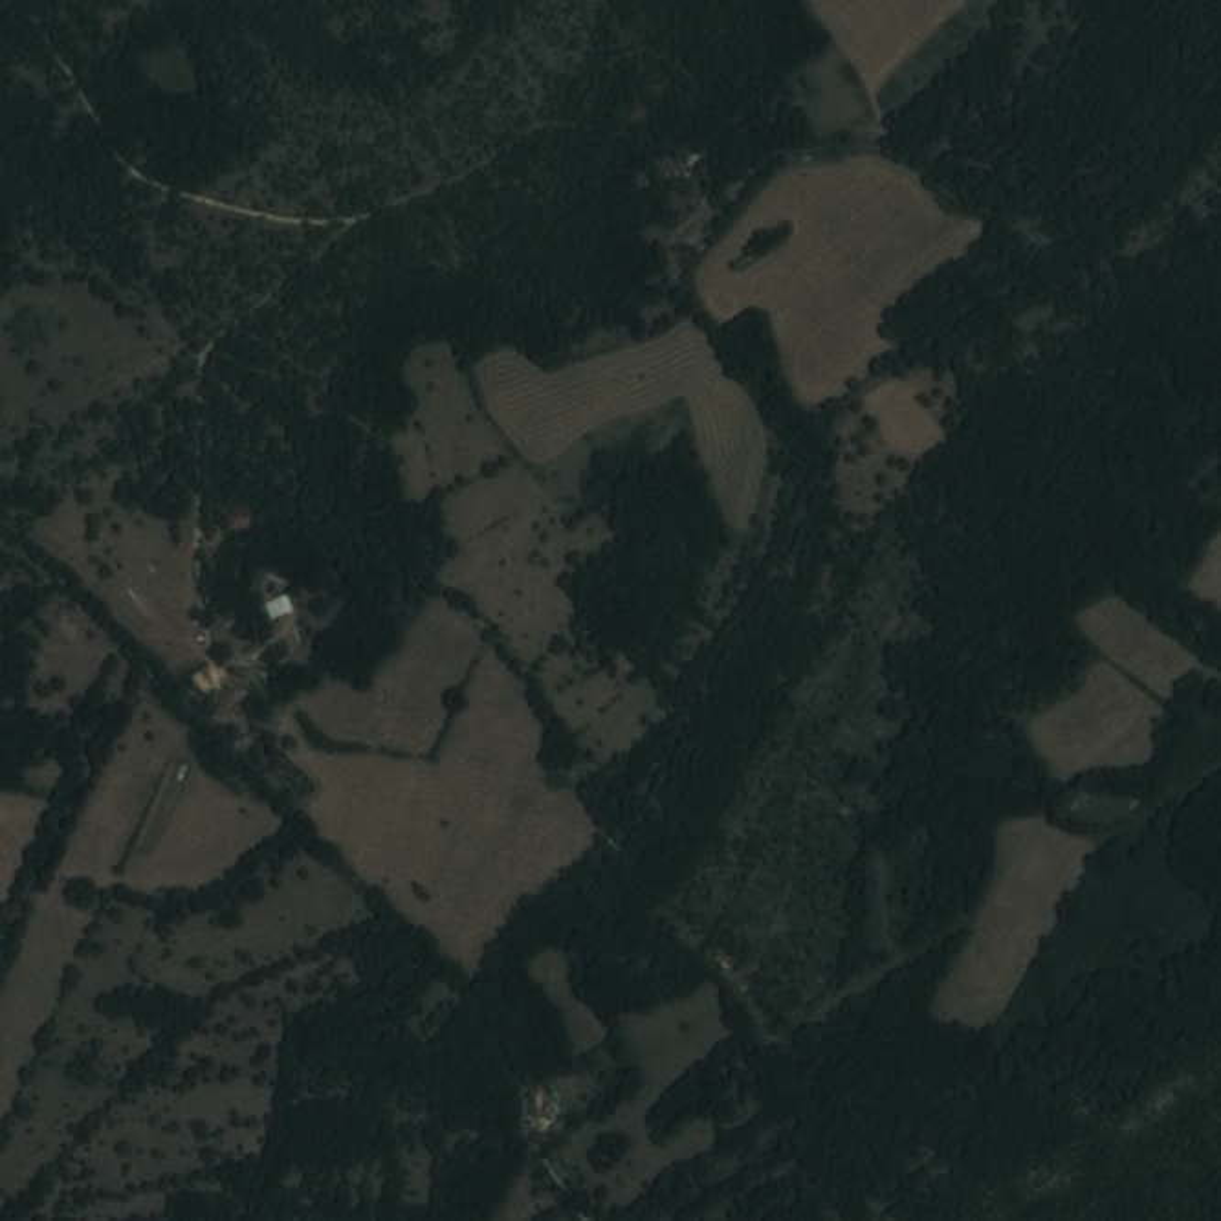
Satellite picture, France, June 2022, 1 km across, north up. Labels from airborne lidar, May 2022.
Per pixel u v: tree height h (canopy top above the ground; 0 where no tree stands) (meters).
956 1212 8
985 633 12
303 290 7
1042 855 0
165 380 6
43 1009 0
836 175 0
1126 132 9
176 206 11
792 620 11
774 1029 7
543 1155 9
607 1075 8
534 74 7
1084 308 7
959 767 8
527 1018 11
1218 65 8
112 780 0
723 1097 14
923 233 0
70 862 0
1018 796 17
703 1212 10
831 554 10
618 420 0
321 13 9
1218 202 11
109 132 9
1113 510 16
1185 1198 12
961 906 12
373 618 12
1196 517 15
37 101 8
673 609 13
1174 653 0
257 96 7
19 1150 0
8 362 0
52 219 9
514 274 12
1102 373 13
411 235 7
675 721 8
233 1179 13
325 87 6
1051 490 13
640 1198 6
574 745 7
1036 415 13
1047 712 0
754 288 0
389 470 12
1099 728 0
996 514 12
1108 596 0
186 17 11
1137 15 15
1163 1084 7
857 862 8
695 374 0
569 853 0
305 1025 13
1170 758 14
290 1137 11
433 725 0
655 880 12
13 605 11
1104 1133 9
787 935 8
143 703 0
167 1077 8
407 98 7
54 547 0
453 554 10
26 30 11
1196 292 12
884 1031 13
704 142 10
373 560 12
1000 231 12
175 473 8
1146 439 13
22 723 13
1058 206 11
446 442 0
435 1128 11
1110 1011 9
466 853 0
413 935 14
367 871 0
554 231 9
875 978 0
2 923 7
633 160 11
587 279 10
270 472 10
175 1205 12
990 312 12
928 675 16
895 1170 15
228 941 0
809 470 8
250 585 12
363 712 0
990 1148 11
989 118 12
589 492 6
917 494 12
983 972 0
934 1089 8
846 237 0
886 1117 10
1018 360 9
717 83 7
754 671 10
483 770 0
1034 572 17
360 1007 12
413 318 14
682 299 11
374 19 8
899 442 0
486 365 0
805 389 0
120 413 7
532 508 0
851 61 0
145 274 9
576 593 10
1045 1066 14
